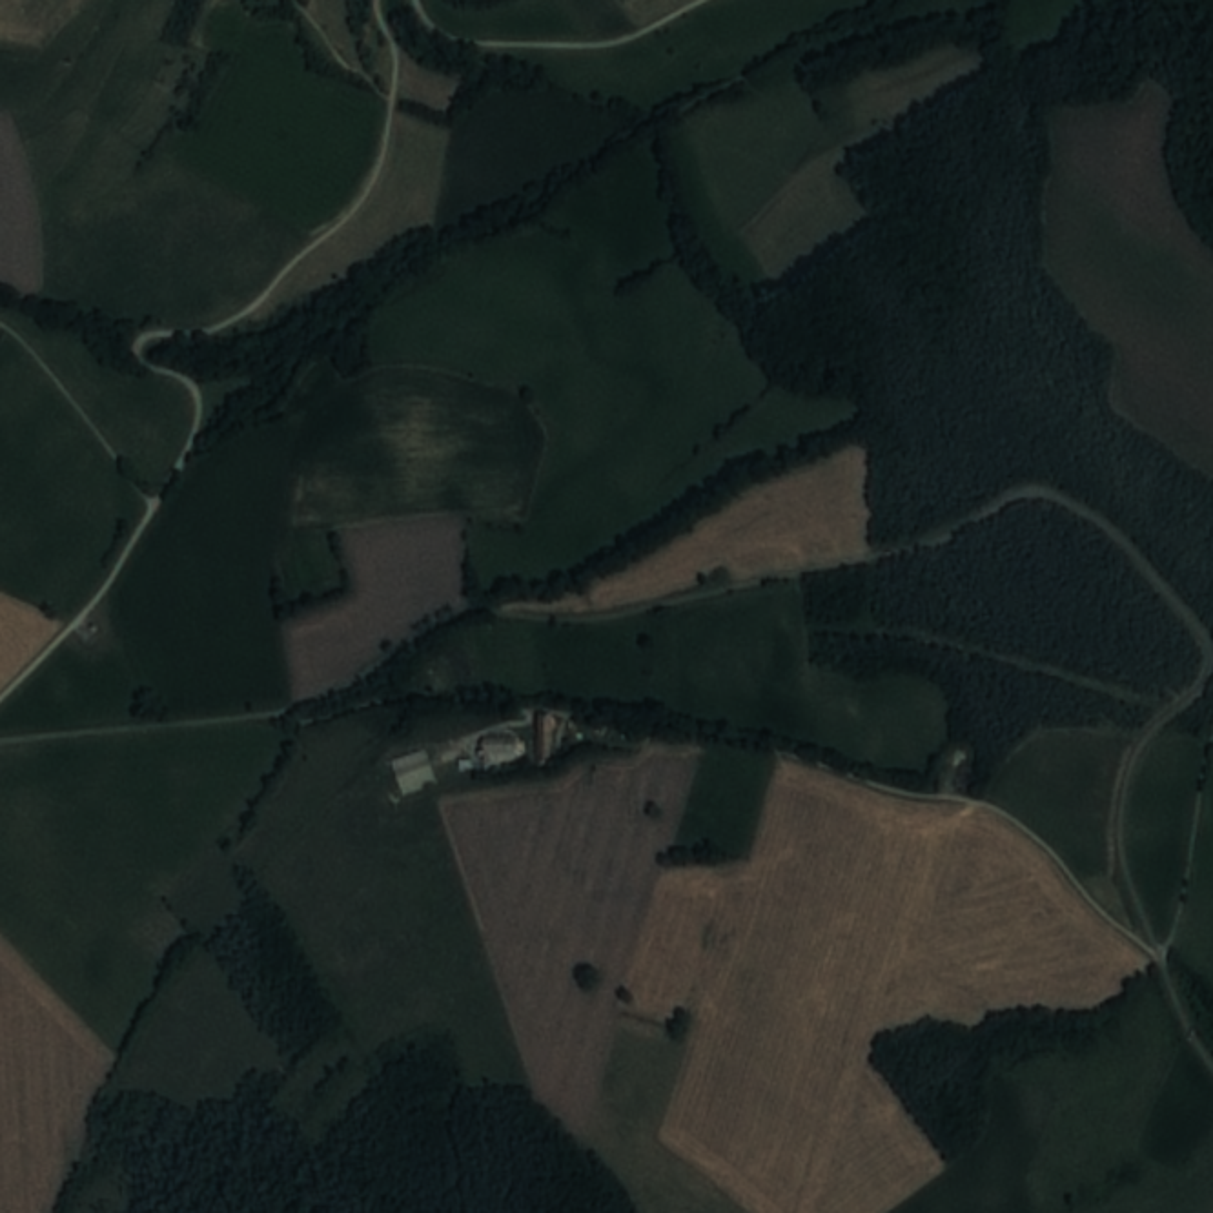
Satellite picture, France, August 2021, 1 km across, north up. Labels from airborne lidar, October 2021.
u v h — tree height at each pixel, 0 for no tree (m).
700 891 0
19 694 0
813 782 0
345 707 13
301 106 0
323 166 0
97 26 0
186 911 0
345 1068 9
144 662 0
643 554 14
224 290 0
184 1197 15
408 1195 9
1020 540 9
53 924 0
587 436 0
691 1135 0
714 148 0
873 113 0
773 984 0
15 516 0
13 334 0
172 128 8
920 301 19
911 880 0
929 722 0
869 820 0
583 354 0
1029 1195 0
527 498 0
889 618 10
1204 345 0
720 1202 0
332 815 0
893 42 22
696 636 0
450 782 0
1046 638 13
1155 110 0
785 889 0
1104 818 0
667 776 0
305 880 0
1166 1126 0
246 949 9
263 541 0
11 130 0
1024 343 8
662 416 0
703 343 0
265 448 0
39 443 0
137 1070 0
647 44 0
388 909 0
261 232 0
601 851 0
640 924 0
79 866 0
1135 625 11
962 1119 13
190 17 7
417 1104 9
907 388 14
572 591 16
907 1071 14
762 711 0
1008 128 10
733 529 0
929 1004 0
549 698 8
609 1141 0
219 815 0
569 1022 0
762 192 0
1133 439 7
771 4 0
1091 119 0
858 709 0
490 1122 9
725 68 0
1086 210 0
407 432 0
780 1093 0
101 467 0
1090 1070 0
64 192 0
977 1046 12
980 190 10
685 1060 0
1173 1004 0
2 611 0
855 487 0
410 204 0
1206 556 5
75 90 0
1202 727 13
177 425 0
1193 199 14
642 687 0
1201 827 0
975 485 9
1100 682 10
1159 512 6
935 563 9
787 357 26
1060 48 17
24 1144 0
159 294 0
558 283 0
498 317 0
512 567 0
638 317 0
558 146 0
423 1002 0
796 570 0
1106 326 0
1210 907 0
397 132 0
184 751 0
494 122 0
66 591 0
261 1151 13
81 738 0
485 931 0
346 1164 9
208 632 0
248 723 0
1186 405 0
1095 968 0
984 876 0
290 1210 11
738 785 0
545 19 0
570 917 0
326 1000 10
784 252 0
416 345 0
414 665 7
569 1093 0
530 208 7
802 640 0
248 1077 7
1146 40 13
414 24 19
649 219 0
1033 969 0
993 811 0
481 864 0
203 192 0
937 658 10
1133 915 0
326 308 22
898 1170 0
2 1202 0
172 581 0
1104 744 0
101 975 0
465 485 0
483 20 0
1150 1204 0
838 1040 0
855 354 18
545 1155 13
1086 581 11
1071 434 7
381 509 0
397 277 12
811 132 0
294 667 0
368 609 0
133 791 0
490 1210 11
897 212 17
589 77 0
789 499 0
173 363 18
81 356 0
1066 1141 0
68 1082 0
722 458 0
